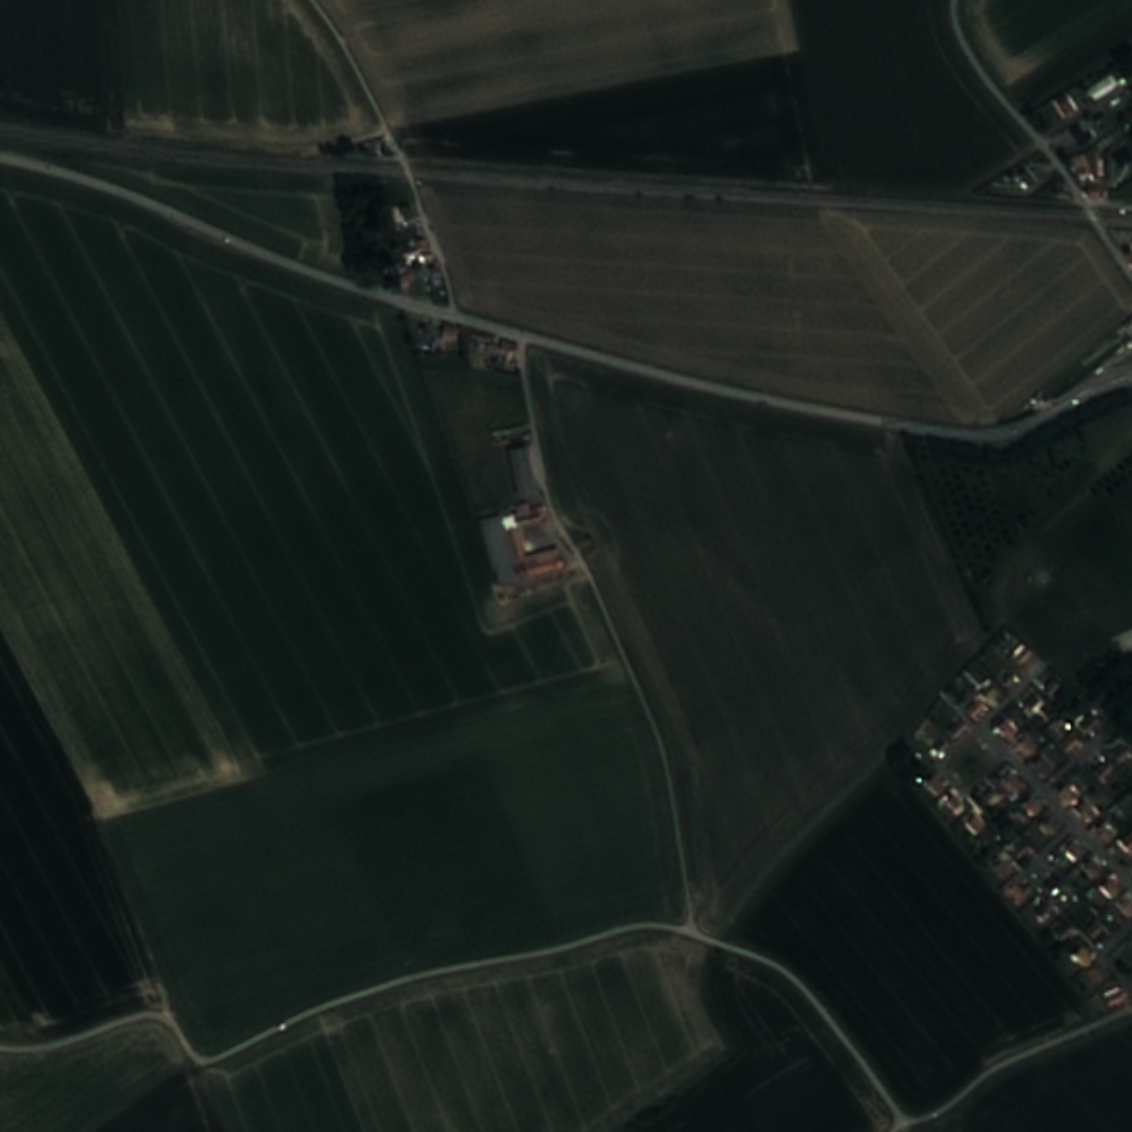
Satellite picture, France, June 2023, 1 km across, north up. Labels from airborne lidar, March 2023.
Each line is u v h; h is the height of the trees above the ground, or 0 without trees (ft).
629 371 0
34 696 0
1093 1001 0
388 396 0
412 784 0
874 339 0
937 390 0
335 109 0
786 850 0
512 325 0
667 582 0
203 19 0
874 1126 0
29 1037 0
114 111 0
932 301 0
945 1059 0
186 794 0
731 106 0
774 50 0
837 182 0
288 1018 0
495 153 0
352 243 36
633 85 0
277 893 0
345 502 0
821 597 0
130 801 0
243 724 0
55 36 0
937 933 0
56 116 0
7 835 0
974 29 0
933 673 0
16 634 0
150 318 0
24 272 0
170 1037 0
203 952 0
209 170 0
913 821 0
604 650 0
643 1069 0
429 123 0
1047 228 0
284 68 0
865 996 0
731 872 0
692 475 0
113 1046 0
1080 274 0
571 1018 0
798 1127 0
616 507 0
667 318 0
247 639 0
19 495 0
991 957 0
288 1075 0
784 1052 0
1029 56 0
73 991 0
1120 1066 0
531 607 0
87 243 0
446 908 0
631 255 0
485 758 0
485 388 0
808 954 0
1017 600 0
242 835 0
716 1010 0
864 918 0
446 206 0
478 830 0
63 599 0
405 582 0
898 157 0
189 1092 0
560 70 0
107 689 0
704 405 0
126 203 0
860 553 0
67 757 0
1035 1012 0
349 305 0
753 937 0
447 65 0
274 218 0
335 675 0
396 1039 0
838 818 0
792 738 0
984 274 0
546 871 0
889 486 0
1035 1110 0
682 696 0
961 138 0
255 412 0
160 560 0
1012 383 0
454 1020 0
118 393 0
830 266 0
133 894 0
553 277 0
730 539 0
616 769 0
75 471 0
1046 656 0
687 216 0
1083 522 0
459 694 0
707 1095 0
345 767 0
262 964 0
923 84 0
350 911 0
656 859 0
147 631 0
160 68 0
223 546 0
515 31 0
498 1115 0
